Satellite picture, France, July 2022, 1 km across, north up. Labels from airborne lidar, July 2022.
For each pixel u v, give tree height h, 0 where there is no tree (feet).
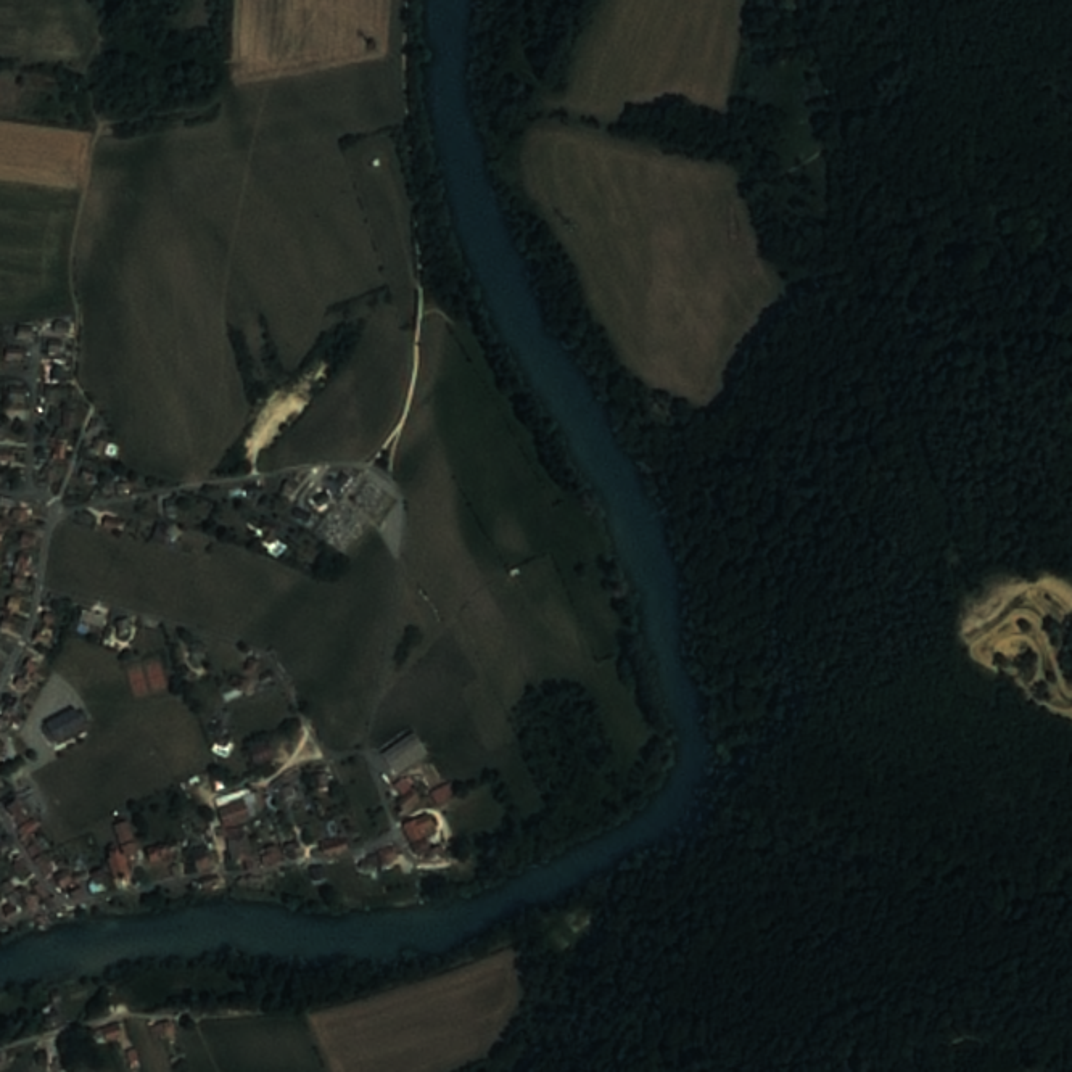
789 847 95
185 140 0
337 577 34
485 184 0
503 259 0
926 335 49
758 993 87
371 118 0
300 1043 0
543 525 0
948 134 76
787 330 82
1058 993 80
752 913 93
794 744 72
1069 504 76
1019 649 0
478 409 0
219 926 0
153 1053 0
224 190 0
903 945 94
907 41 58
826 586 94
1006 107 78
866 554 89
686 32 0
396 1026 0
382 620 0
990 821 69
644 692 112
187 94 31
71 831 0
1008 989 56
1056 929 84
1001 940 82
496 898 0
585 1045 79
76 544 0
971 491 60
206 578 0
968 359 94
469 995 0
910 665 37
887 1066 91
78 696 0
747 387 83
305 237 0
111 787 0
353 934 0
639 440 77
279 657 0
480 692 0
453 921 0
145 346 0
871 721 45
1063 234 92
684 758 0
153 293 0
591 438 0
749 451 49
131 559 0
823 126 55
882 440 86
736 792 98
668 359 0
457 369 0
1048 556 65
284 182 0
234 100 0
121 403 0
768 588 95
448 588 0
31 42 0
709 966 90
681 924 107
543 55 70
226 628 0
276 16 0
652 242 0
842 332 99
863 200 60
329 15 0
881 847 76
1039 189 87
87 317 0
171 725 0
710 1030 76
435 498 0
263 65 0
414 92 27
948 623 46
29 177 0
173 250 0
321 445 0
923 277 64
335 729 0
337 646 0
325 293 0
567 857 0
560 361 0
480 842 23
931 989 106
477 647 0
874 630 34
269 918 0
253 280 0
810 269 78
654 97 0
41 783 0
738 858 93
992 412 45
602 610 0
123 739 0
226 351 0
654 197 0
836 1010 76
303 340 0
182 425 0
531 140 0
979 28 56
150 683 0
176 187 0
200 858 0
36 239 0
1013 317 78
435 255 52
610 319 0
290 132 0
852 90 49
